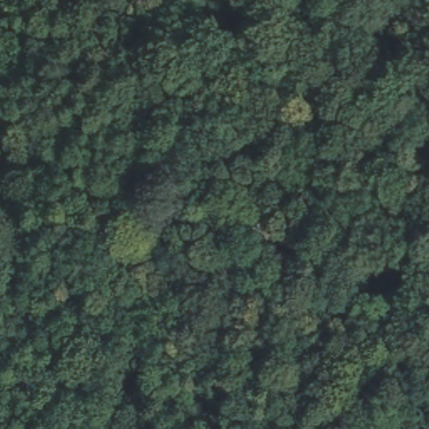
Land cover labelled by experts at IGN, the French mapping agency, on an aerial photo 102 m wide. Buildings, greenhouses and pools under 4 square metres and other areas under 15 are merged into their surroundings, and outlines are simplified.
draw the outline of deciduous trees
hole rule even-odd
[[[429,429],[429,0],[0,0],[0,429]]]

